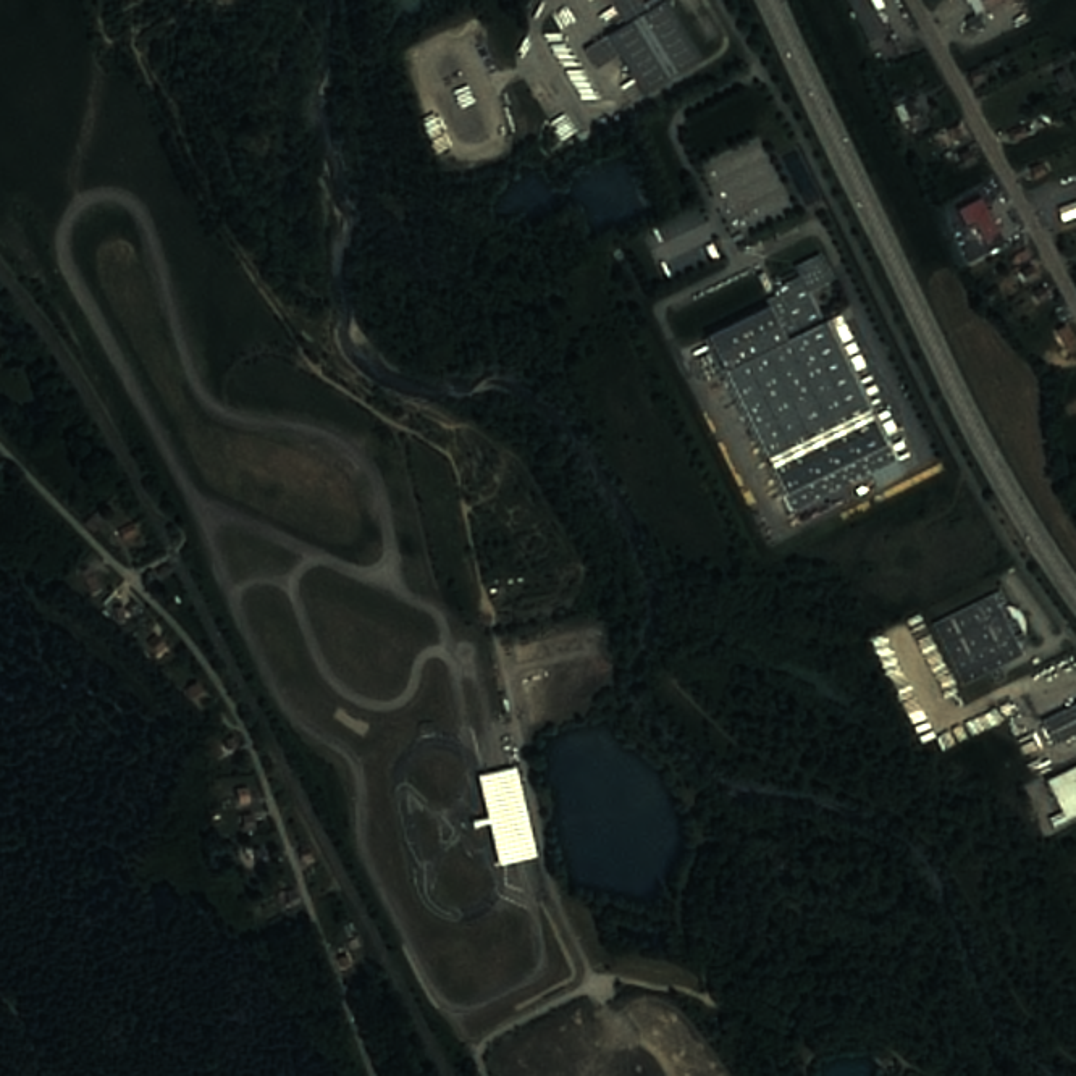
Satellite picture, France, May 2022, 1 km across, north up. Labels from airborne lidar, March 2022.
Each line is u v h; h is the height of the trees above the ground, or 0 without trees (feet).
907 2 0
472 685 0
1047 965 29
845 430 0
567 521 57
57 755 90
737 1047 0
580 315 0
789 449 0
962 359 0
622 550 58
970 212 0
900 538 0
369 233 26
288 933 70
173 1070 88
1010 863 43
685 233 0
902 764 46
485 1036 0
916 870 61
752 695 66
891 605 0
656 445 0
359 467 0
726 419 0
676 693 0
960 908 66
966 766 0
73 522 0
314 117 0
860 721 35
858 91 0
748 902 65
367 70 33
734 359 0
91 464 96
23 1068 79
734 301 0
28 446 86
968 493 0
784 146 0
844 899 68
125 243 0
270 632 0
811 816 60
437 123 0
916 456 0
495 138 0
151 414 0
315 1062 111
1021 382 0
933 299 0
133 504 33
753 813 65
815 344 0
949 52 0
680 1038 0
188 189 40
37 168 0
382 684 0
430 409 0
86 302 0
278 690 0
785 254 0
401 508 0
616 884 0
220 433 0
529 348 53
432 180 27
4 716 109
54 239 0
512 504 0
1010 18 0
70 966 86
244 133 53
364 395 0
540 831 0
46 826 102
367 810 0
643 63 0
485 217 64
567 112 0
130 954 99
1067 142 0
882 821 47
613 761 0
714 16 0
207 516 0
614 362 0
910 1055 66
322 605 0
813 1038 66
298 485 0
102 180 0
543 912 0
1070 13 0
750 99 0
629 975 0
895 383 0
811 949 53
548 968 0
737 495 0
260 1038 108
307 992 90
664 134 0
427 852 0
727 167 0
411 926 0
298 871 0
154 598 47
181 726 61
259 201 59
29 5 0
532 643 0
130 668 27
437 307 35
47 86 0
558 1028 0
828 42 0
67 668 76
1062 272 0
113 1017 76
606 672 0
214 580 0
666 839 0
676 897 36
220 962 117
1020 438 0
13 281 0
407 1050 57
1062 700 0
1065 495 56
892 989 69
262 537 0
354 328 0
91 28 48
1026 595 0
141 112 0
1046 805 0
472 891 0
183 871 0
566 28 0
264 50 55
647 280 30
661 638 35
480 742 0
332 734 0
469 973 0
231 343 0
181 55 21
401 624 0
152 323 0
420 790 0
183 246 0
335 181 0
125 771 106
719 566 0
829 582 34
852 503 0
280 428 0
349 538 0
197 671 35
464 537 0
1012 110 0
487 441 0
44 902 87
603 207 0
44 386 75
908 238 0
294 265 69
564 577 0
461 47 0
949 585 0
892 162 0
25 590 43
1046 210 0
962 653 0
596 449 19
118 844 99
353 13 34
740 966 40
